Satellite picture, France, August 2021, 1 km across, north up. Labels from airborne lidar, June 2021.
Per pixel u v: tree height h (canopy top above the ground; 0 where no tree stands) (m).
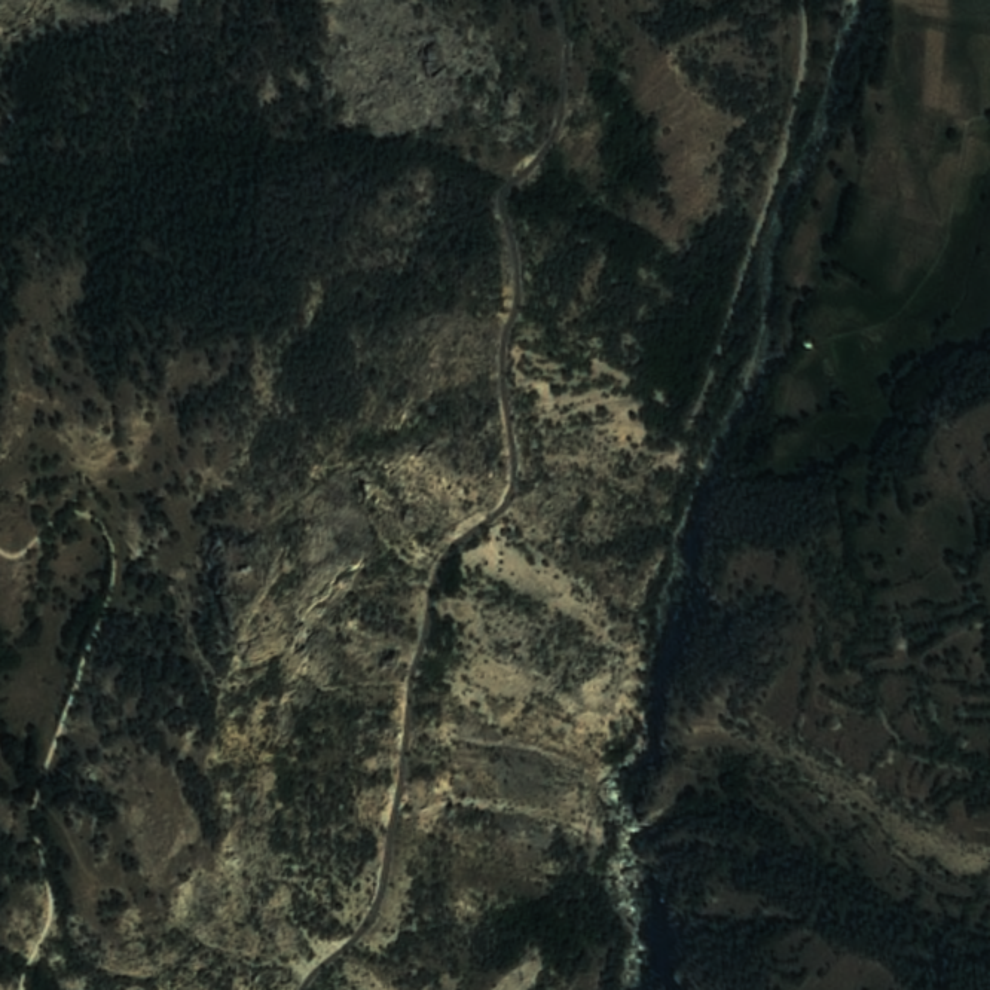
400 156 19
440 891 11
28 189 14
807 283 0
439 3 8
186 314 14
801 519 7
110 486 8
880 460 13
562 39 0
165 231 18
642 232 16
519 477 6
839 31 9
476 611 0
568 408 6
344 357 10
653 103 0
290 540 9
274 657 8
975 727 9
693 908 6
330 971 6
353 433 8
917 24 0
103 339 20
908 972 11
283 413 6
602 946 8
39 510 11
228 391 12
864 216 0
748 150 13
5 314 11
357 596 8
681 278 12
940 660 9
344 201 10
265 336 8
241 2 18
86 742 0
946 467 7
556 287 9
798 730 6
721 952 11
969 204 0
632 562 7
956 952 22
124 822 0
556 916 11
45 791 12
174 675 16
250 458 10
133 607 6
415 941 7
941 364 23
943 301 0
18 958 9
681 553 0
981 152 0
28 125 7
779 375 20
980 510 10
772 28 7
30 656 0
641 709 7
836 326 0
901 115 0
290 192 16
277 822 8
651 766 14
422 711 7
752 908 0
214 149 18
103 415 7
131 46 20
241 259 13
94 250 20
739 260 9
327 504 0
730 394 10
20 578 0
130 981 11
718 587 7
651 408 10
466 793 7
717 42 7
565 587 0
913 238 0
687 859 14
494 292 7
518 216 7
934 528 0
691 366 21
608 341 6
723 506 12
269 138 20
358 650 0
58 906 13
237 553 0
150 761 0
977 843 0
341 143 26
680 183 0
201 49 19
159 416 0
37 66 20
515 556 0
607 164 9
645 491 6
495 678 0
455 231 12
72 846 0
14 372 0
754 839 16
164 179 21
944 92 0
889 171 0
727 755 6
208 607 7
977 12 0
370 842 7
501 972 8
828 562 8
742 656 7
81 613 14
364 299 20
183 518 0
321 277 6
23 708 0
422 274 13
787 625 8
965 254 0
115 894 9
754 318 22
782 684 0
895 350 0
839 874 7
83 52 21
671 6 10
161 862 0
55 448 0
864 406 0
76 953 8
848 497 17
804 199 20
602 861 10
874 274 0
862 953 7
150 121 19
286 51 14
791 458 0
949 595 0
